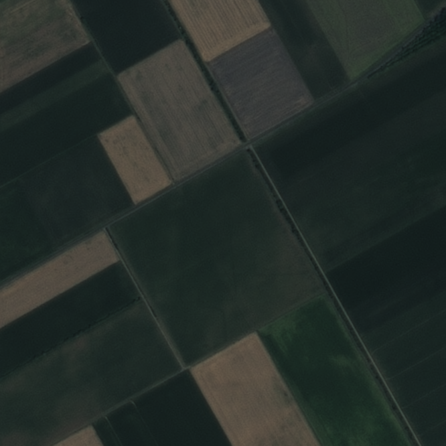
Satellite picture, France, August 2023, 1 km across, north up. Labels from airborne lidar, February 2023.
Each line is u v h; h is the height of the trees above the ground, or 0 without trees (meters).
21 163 0
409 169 0
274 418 0
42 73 0
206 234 0
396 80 0
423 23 0
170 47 0
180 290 0
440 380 0
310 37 0
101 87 0
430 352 0
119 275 0
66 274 0
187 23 0
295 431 0
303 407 0
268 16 0
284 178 0
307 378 0
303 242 7
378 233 0
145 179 0
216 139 0
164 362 0
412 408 0
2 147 0
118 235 0
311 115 0
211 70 0
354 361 0
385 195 0
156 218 0
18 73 0
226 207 0
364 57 0
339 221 0
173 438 0
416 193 0
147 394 0
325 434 0
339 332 0
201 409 0
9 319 0
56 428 0
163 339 0
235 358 0
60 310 0
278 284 0
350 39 0
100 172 0
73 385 0
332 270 0
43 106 0
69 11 0
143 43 0
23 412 0
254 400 0
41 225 0
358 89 0
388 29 0
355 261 0
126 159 0
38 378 0
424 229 0
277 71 0
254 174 0
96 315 0
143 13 0
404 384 0
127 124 0
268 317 0
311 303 0
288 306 0
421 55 0
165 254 0
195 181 0
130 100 0
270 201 0
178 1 0
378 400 0
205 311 0
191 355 0
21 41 0
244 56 0
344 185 0
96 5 0
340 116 0
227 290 0
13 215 0
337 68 0
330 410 0
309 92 0
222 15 0
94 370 0
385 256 0
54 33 0
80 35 0
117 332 0
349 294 0
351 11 0
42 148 0
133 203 0
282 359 0
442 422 0
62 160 0
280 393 0
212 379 0
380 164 0
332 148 0
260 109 0
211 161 0
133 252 0
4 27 0
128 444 0
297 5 0
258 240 0
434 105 0
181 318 0
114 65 0
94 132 0
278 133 0
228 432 0
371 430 0
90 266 0
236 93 0
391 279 0
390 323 0
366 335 0
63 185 0
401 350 0
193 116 0
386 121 0
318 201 0
